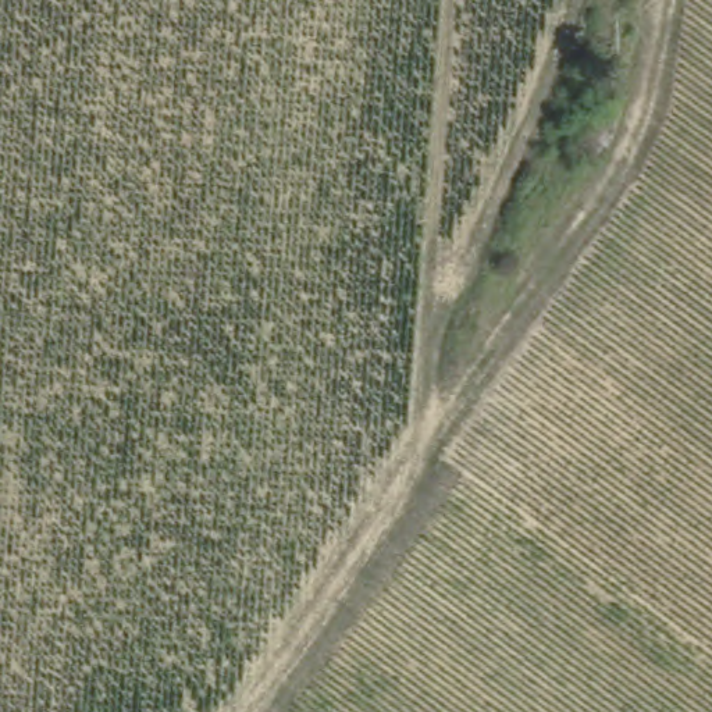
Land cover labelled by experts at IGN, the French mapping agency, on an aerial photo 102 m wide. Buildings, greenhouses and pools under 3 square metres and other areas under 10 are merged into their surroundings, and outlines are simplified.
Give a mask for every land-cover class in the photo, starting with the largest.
<instances>
[{"label":"vineyard","instance_id":"1","mask_svg":"<svg viewBox=\"0 0 712 712\"><path fill-rule=\"evenodd\" d=\"M553 8V0H0V712H712V0H676L659 100L629 172L634 184L623 192L615 209L620 217L615 220V225H604L592 236V242L576 256V261L567 267L565 281L542 303L534 325L526 331L512 356L501 364V370L495 364H464L451 370L439 362V345L453 300H445L434 292L437 253L448 250L453 225L464 211V203L481 184L478 170L473 167V156L478 150L490 153L498 139V131L506 125L509 111L517 103V86L526 81V72L534 64L537 33L545 25V14Z\"/></svg>","mask_w":712,"mask_h":712},{"label":"herbaceous vegetation","instance_id":"2","mask_svg":"<svg viewBox=\"0 0 712 712\"><path fill-rule=\"evenodd\" d=\"M584 8V0H553V8L545 14V25L537 33L534 64L526 72V81L517 86V103L509 111L506 125L498 131V139L490 153L478 150L473 156V167L478 170L481 184L464 203V211L453 225L448 250L437 253L434 292L445 300H453L439 345V362L451 370L464 364H495L501 370V364L512 356L526 331L534 325L542 303L565 281L567 267L576 261V256L592 242V236L604 225H615V220L620 217L615 209L623 192L634 184L629 172L659 100L676 0H634L631 6H623L617 14L604 19L615 22V36L623 33V22H631L634 33L642 36L640 42L645 45L637 97L631 108L623 111L617 122L601 128L595 142V159H587L581 167H573V192H567L559 200L553 211L540 209V225L534 228V234L523 228L517 234V248L512 253L517 256V270L498 273L481 256V248L490 236L501 200L509 192V181L526 156L528 139L537 134L540 106L551 92V83L556 81V28L570 25L576 19V14Z\"/></svg>","mask_w":712,"mask_h":712},{"label":"brushwood","instance_id":"3","mask_svg":"<svg viewBox=\"0 0 712 712\"><path fill-rule=\"evenodd\" d=\"M634 0H584V8L576 14V19L570 25L556 28V81L551 83V92L540 106L537 134L528 139L526 156L509 181V192L501 200L490 236L481 248V256L498 273L517 270V256L512 253L517 248V234L523 228L534 234V228L540 225V209L553 211L559 200L567 192H573V167H581L587 159H595V142L601 128L617 122L623 111L631 108L637 97L645 45L640 42L642 36L634 33L631 22H623V33L615 36V22L604 19L617 14L623 6H631Z\"/></svg>","mask_w":712,"mask_h":712}]
</instances>
